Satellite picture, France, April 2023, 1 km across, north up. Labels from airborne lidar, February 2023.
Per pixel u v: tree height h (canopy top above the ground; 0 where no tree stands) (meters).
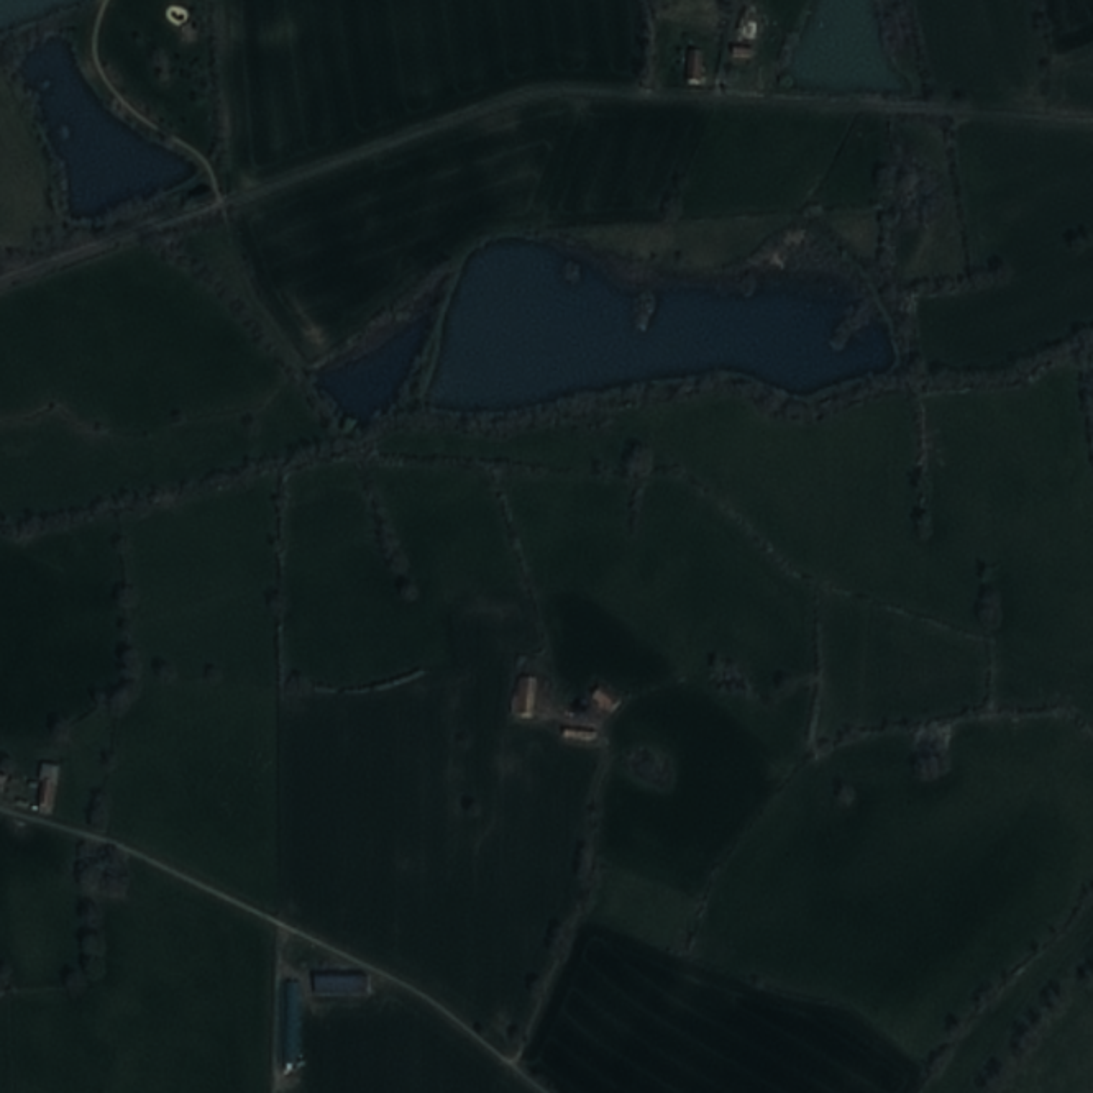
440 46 0
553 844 0
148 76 0
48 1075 0
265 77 0
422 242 0
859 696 0
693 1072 0
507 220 0
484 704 0
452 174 0
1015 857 0
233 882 0
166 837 0
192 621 0
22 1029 0
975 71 0
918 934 0
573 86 0
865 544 0
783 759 0
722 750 0
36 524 17
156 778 0
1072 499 0
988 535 0
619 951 0
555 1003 0
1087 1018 0
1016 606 0
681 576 0
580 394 12
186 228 7
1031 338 0
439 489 0
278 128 0
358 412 0
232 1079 0
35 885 0
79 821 0
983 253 0
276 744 0
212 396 0
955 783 0
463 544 0
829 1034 0
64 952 0
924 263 0
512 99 0
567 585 0
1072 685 0
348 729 0
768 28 0
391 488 0
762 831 0
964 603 0
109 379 0
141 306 0
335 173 0
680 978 0
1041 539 0
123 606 14
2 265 13
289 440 0
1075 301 0
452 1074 0
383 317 13
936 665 0
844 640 0
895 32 13
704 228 0
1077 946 0
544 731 0
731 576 0
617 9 0
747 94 0
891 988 0
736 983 0
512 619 0
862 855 0
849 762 0
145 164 0
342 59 0
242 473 10
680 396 14
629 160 0
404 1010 0
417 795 0
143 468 0
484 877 0
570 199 0
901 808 0
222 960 0
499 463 11
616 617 0
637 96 0
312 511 0
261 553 0
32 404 0
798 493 0
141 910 0
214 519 0
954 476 0
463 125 0
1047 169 0
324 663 0
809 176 0
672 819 0
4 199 0
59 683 0
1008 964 0
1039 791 0
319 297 0
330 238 0
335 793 0
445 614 0
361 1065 0
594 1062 0
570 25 0
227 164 7
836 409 11
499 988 0
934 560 0
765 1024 0
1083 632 0
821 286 0
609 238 0
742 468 0
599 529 0
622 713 0
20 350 0
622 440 0
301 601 0
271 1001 0
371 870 0
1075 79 0
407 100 0
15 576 0
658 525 0
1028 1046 21
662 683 0
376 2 0
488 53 0
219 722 0
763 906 0
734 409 0
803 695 0
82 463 0
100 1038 0
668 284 0
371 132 0
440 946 0
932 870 0
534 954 0
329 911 0
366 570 0
